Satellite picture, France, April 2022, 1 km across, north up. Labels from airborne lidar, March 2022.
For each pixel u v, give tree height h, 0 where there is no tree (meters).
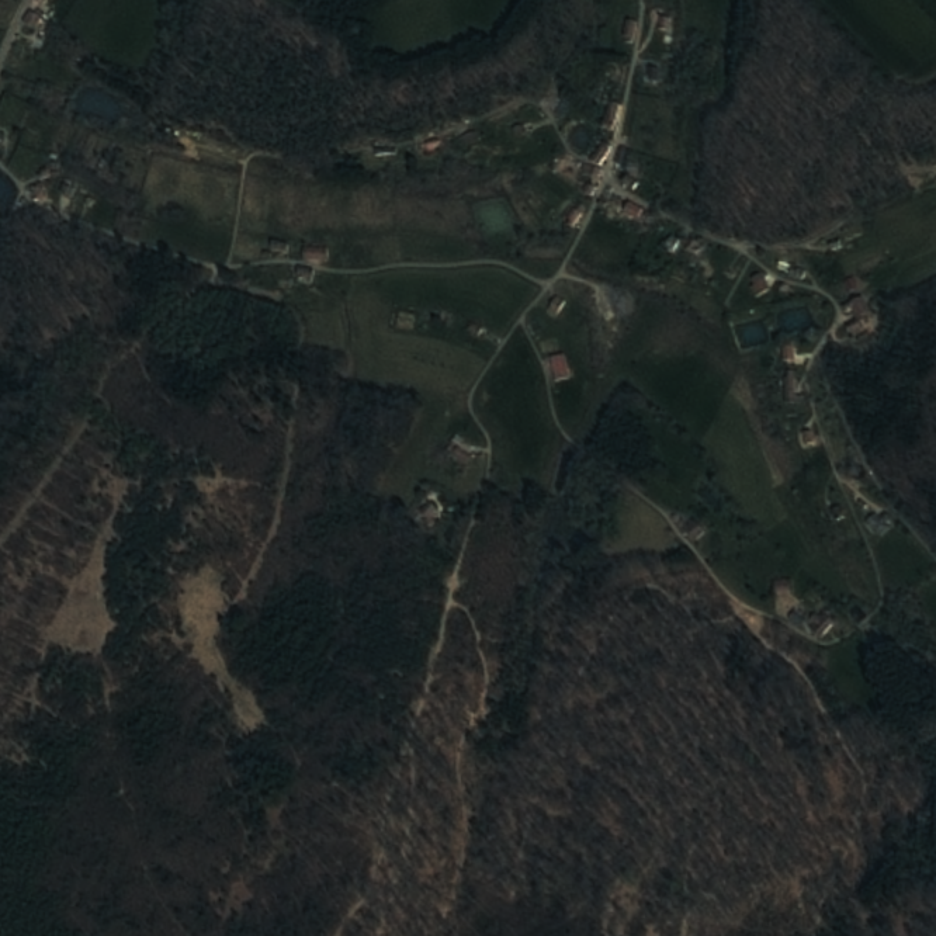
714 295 0
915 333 10
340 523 10
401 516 22
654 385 0
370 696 10
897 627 20
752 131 26
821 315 0
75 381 10
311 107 21
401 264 0
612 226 0
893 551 0
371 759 9
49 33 7
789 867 28
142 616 26
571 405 0
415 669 10
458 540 20
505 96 18
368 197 0
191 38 22
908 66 0
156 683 9
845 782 31
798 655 28
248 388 7
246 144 25
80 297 20
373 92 21
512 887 31
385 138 15
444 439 0
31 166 0
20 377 10
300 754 12
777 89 27
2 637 0
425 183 13
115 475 7
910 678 33
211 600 0
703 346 0
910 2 0
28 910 10
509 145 0
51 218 19
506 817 34
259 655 14
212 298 16
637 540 0
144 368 8
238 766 14
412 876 31
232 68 19
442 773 30
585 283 0
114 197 15
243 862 7
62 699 7
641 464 13
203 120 19
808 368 0
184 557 10
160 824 9
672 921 27
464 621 7
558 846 30
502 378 0
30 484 6
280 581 13
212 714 9
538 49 22
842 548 0
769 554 0
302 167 26
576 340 0
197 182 0
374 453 23
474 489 0
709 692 27
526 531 29
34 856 8
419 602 6
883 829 7
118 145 0
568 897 28
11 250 25
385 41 0
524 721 14
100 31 0
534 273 0
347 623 12
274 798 22
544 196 0
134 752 7
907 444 11
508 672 14
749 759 28
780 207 27
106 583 9
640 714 26
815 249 0
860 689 0
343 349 0
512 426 0
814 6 23
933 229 0
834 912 35
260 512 11
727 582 0
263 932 9
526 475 0
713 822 27
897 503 16
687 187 0
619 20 0
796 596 0
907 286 0
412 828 29
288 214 0
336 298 0
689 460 0
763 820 27
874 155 27
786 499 0
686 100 7
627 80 0
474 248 0
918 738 33
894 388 12
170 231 0
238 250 0
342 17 20
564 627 28
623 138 0
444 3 0
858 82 27
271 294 0
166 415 10
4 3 0
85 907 8
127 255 16
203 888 10
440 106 23
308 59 13
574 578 13
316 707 12
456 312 0
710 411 0
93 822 8
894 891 35
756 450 0
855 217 20
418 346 0
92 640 0
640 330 0
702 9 0
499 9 0
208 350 10
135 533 9
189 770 8
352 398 24
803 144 29
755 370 0
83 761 6
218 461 9
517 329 0
